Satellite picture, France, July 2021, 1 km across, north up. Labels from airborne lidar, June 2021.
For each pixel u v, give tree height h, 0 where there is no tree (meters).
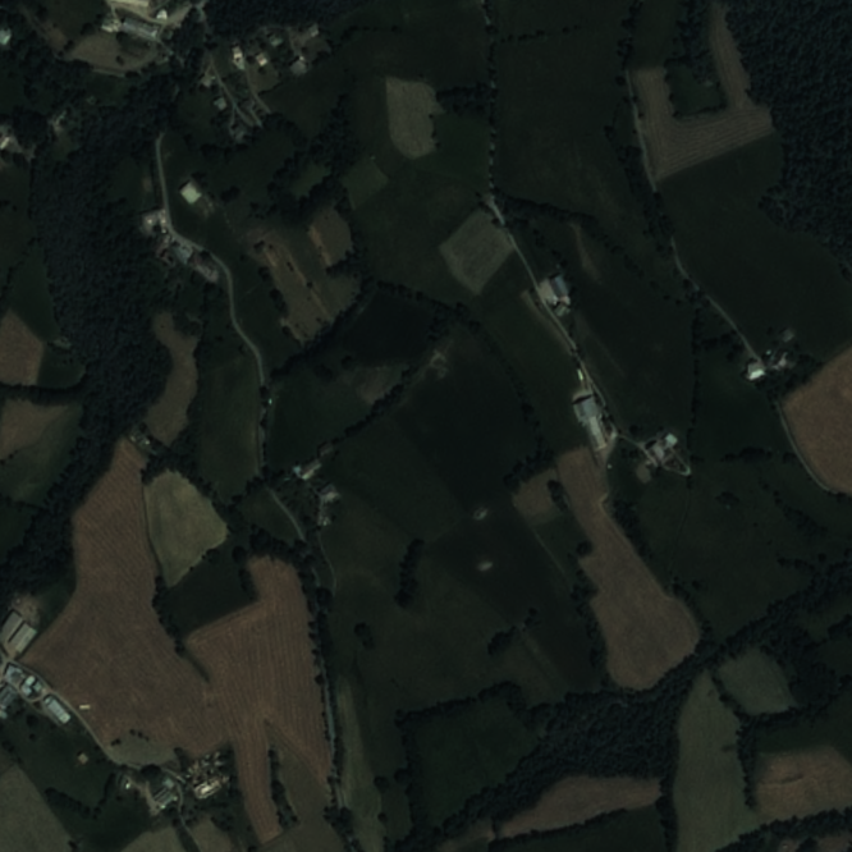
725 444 0
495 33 13
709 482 0
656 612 0
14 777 0
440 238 0
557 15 0
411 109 0
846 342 0
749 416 0
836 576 22
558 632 0
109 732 0
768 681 0
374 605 0
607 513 0
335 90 0
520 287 0
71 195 19
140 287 11
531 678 0
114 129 19
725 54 0
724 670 0
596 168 0
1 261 0
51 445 0
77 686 0
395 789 0
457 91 15
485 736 0
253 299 0
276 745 0
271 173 0
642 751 15
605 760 22
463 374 0
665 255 7
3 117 20
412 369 6
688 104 0
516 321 0
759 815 0
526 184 0
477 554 0
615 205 0
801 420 0
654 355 0
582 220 11
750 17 25
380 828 0
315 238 0
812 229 22
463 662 0
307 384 0
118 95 0
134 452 0
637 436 18
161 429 0
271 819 0
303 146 16
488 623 0
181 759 7
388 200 0
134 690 0
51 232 10
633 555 0
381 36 0
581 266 0
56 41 0
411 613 0
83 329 18
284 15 14
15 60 17
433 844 18
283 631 0
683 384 0
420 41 0
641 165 14
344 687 0
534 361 0
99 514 0
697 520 0
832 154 14
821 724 0
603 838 0
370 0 9
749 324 0
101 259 19
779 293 0
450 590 0
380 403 14
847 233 18
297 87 0
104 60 0
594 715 16
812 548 0
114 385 19
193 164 0
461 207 0
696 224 0
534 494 0
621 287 0
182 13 0
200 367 13
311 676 0
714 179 0
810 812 0
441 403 0
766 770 0
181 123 21
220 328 0
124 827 0
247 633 0
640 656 0
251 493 14
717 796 0
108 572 0
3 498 16
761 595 0
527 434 0
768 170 0
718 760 0
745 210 0
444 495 0
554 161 0
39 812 0
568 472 0
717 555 0
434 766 0
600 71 0
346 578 0
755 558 0
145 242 15
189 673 0
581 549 11
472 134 0
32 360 0
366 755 0
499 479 0
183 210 0
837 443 0
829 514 0
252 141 12
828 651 0
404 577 12
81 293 10
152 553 0
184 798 0
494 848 15
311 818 0
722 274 0
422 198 0
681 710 8
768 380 13
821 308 0
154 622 0
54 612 0
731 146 0
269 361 0
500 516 0
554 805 0
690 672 15
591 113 0
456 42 0
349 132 14
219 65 0
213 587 0
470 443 0
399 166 0
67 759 0
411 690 0
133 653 0
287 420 0
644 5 8
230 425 0
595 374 0
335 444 7
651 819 0
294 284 0
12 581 19
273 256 0
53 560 26
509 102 0
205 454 0
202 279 7
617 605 0
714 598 0
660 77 0
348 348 0
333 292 0
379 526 0
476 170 0
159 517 0
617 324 0
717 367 0
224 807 7
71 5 0
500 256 0
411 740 16
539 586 0
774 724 18
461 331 0
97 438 18
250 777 0
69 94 18
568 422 0
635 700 10
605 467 0
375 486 0
